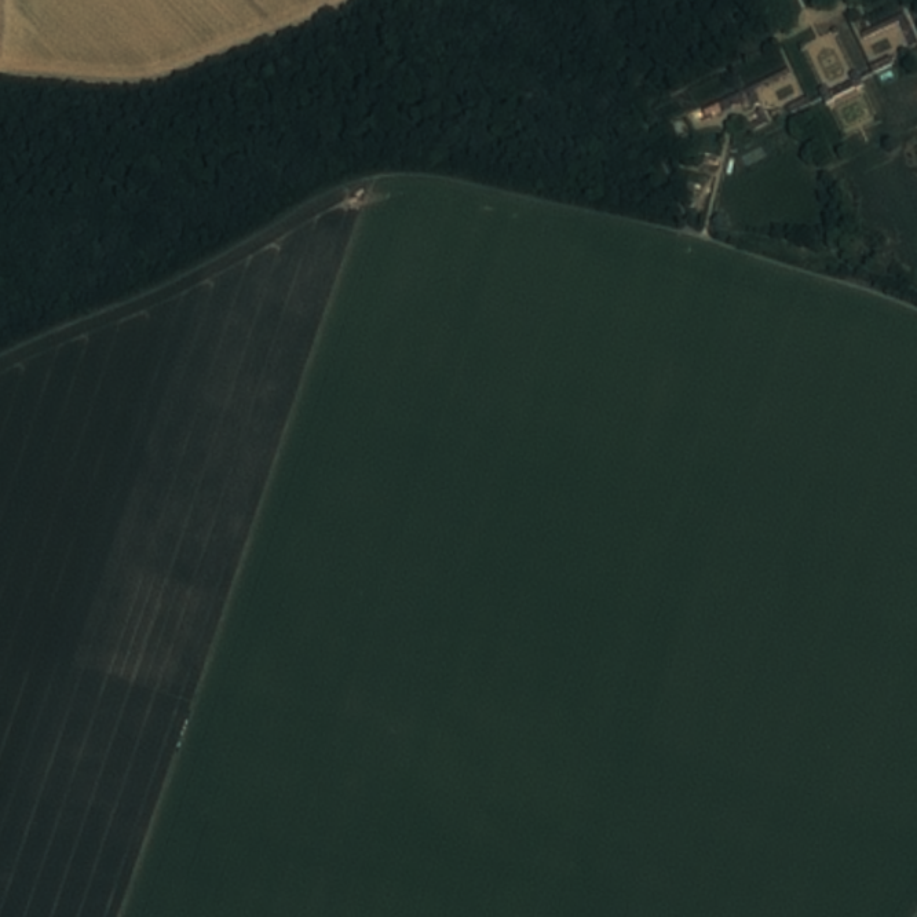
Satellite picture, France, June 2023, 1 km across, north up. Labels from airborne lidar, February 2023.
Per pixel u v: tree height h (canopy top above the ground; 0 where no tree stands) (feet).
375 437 0
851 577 0
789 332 0
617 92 88
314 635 0
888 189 0
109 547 0
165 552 0
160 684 0
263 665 0
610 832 0
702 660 0
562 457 0
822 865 0
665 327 0
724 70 76
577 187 20
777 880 0
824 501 0
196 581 0
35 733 0
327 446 0
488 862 0
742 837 0
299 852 0
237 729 0
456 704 0
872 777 0
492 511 0
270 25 0
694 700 0
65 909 0
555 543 0
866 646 0
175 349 0
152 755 0
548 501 0
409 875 0
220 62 41
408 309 0
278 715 0
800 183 0
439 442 0
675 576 0
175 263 61
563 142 66
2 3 0
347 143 66
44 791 0
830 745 0
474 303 0
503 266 0
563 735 0
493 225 0
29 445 0
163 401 0
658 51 86
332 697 0
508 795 0
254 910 0
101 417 0
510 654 0
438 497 0
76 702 0
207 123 91
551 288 0
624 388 0
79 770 0
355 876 0
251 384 0
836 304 0
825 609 0
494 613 0
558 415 0
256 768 0
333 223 0
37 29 0
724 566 0
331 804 0
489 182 34
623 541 0
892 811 0
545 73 64
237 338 0
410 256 0
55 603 0
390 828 0
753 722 0
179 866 0
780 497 0
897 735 0
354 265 0
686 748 0
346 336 0
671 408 0
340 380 0
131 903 0
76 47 0
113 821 0
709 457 0
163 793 0
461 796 0
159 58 0
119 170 88
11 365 0
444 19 68
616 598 0
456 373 0
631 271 0
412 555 0
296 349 0
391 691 0
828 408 0
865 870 0
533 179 42
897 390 0
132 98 37
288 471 0
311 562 0
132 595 0
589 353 0
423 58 77
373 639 0
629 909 0
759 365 0
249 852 0
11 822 0
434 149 55
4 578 0
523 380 0
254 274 0
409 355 0
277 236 0
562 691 0
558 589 0
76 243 76
